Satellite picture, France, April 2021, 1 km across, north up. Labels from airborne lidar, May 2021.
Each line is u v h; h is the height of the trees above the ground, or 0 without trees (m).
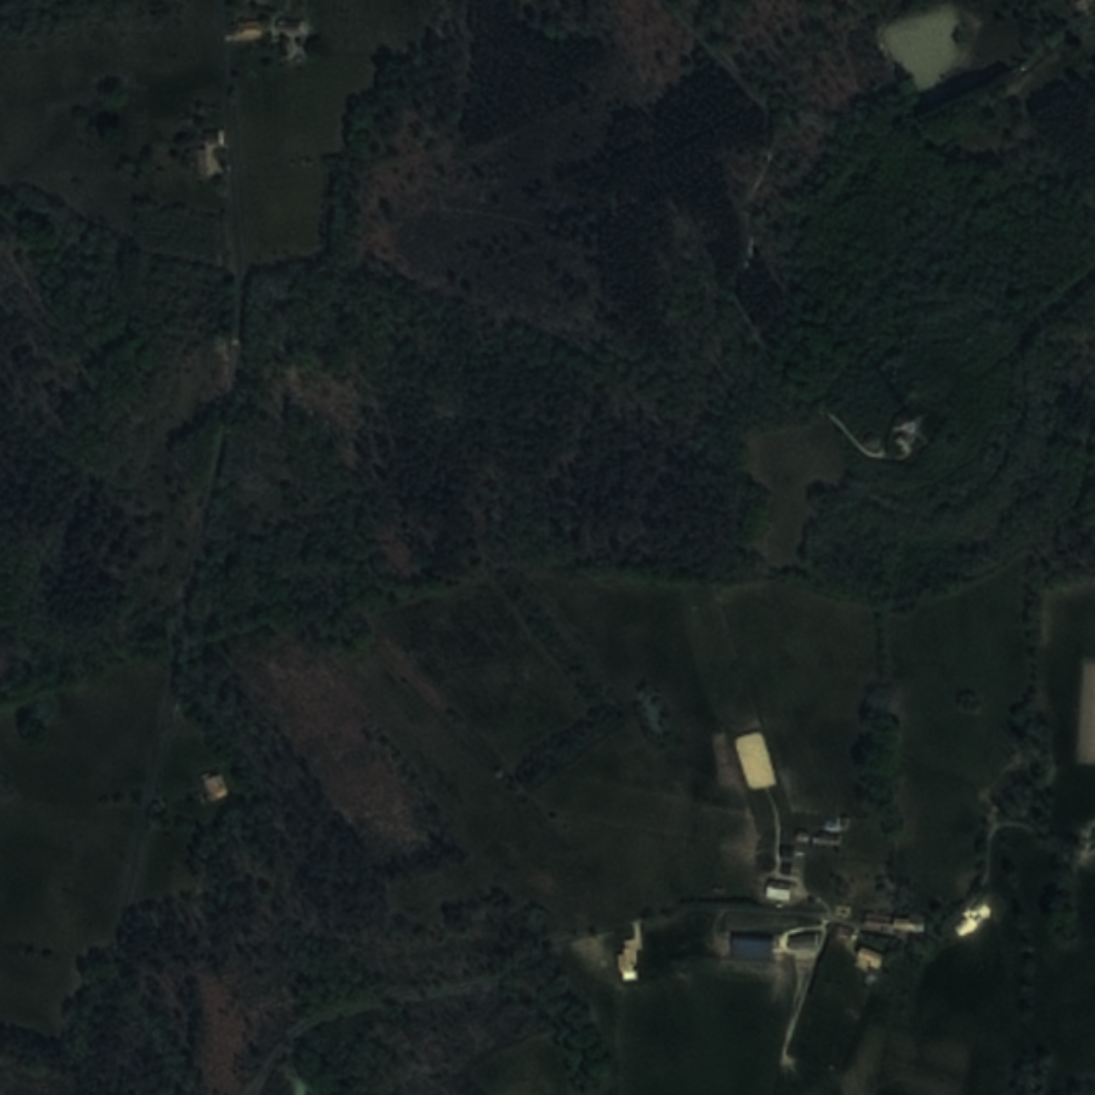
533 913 11
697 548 21
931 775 0
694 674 0
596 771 0
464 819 0
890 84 7
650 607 0
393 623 0
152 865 0
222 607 16
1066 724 0
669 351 11
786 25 10
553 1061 0
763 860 0
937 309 14
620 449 15
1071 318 14
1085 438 10
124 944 13
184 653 19
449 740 0
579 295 19
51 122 0
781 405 15
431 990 11
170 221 10
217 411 12
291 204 0
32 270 12
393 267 7
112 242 21
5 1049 21
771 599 0
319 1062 22
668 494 17
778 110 14
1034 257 15
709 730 0
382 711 0
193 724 9
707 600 0
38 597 9
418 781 12
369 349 22
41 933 0
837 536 18
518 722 0
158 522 9
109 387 21
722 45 21
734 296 10
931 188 17
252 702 25
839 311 16
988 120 20
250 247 0
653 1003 0
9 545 19
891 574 18
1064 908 21
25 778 0
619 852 0
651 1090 0
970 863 0
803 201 18
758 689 0
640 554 19
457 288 16
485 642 0
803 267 12
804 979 0
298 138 0
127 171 9
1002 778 0
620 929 0
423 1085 11
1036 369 19
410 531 7
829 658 0
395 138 24
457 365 21
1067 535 21
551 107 12
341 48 0
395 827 0
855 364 7
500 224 0
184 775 0
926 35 0
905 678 0
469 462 24
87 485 13
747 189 11
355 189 16
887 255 18
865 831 0
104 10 13
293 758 19
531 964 18
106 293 24
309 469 17
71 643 18
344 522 16
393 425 20
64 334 21
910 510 13
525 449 24
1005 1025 0
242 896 23
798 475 0
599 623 0
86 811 0
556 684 0
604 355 19
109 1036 18
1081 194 20
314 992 19
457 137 20
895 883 13
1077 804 0
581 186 14
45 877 0
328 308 21
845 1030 0
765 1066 0
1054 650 0
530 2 17
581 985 0
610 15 13
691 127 14
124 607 14
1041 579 15
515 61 15
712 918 0
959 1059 0
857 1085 0
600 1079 22
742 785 0
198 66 0
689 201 16
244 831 17
